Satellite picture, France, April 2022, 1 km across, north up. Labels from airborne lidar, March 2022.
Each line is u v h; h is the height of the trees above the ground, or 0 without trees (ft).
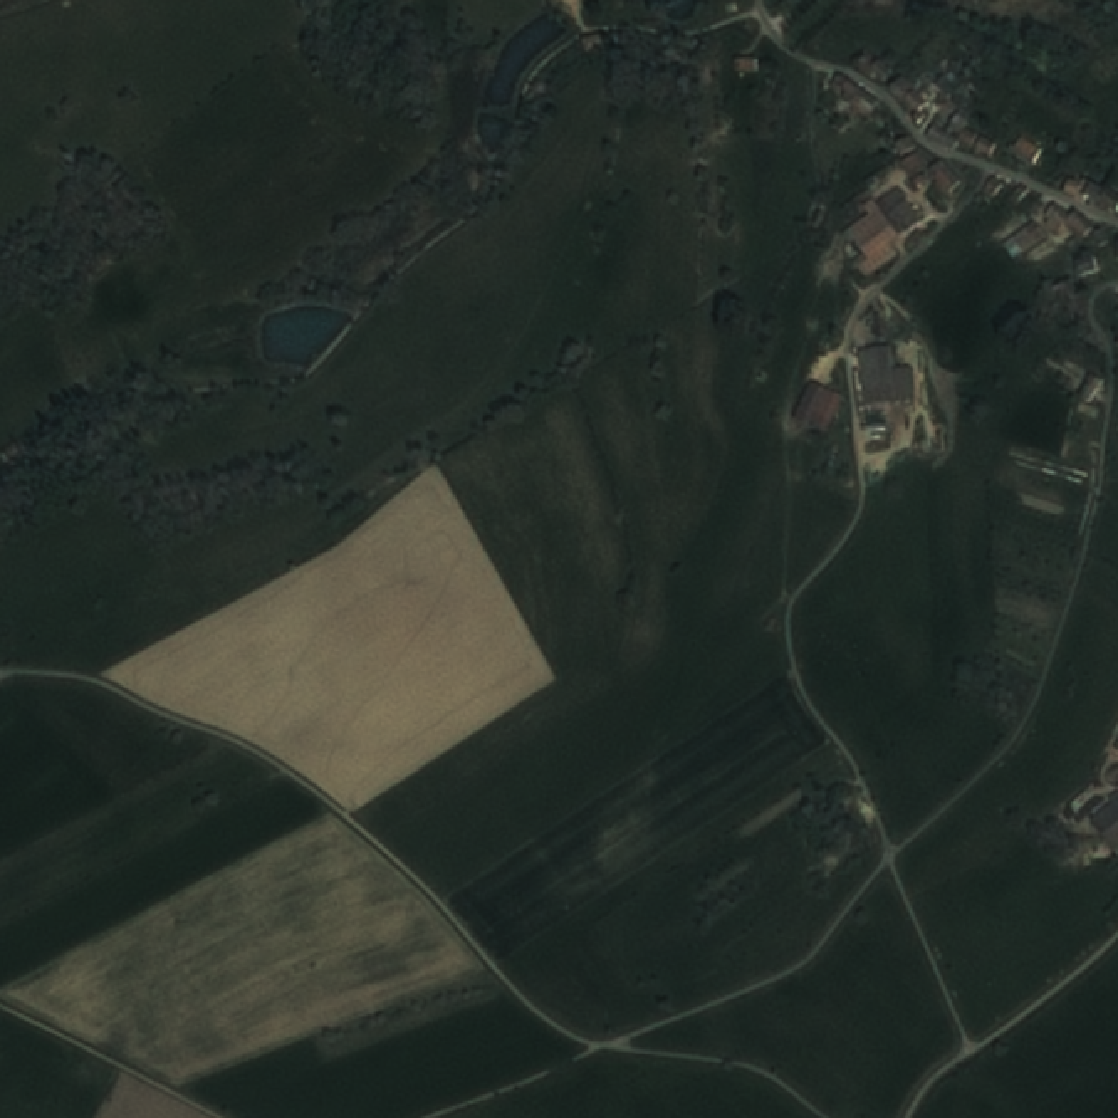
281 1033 0
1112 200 0
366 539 0
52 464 49
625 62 57
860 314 0
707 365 0
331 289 54
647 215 0
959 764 0
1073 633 0
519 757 0
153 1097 0
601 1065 0
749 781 0
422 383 0
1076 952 0
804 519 0
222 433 0
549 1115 0
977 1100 0
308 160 0
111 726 0
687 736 0
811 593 0
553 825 0
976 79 25
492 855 0
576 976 0
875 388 0
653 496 0
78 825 0
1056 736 0
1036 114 0
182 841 0
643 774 0
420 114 49
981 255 0
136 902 0
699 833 0
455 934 0
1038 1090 0
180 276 0
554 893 0
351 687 0
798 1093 0
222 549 0
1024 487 0
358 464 0
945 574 0
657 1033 0
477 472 0
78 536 0
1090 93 0
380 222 60
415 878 0
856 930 0
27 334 0
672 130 0
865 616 0
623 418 0
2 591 0
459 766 0
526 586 0
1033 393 0
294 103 0
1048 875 0
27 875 0
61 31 0
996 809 0
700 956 0
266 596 0
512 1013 0
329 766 0
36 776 0
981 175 0
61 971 0
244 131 0
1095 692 0
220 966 0
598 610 0
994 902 0
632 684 0
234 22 0
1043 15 0
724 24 0
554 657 0
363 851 0
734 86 0
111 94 0
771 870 0
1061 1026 0
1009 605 0
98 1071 0
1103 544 0
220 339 0
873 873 0
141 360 0
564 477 0
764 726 0
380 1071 0
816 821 44
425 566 0
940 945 0
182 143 0
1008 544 0
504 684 0
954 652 0
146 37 0
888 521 0
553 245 0
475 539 0
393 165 0
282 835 0
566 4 0
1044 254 0
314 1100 0
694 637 0
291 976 0
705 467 0
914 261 0
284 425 0
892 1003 0
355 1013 0
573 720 0
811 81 0
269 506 25
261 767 0
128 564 0
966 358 0
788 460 0
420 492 0
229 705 0
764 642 0
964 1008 0
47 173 0
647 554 0
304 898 0
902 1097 0
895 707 0
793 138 0
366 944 0
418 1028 0
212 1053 0
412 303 0
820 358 0
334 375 0
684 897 0
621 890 0
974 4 0
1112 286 0
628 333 0
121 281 0
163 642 0
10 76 0
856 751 0
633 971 0
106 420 91
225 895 0
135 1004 0
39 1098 0
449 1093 0
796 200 0
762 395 0
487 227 0
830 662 0
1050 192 0
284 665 0
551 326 0
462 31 25
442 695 0
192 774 0
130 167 0
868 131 0
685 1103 0
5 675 0
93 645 0
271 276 0
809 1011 0
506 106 0
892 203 0
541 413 0
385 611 0
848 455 0
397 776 0
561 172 0
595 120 0
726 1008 0
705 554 0
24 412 0
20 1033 0
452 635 0
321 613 0
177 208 0
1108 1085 0
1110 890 0
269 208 0
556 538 0
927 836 0
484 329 0
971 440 0
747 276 0
